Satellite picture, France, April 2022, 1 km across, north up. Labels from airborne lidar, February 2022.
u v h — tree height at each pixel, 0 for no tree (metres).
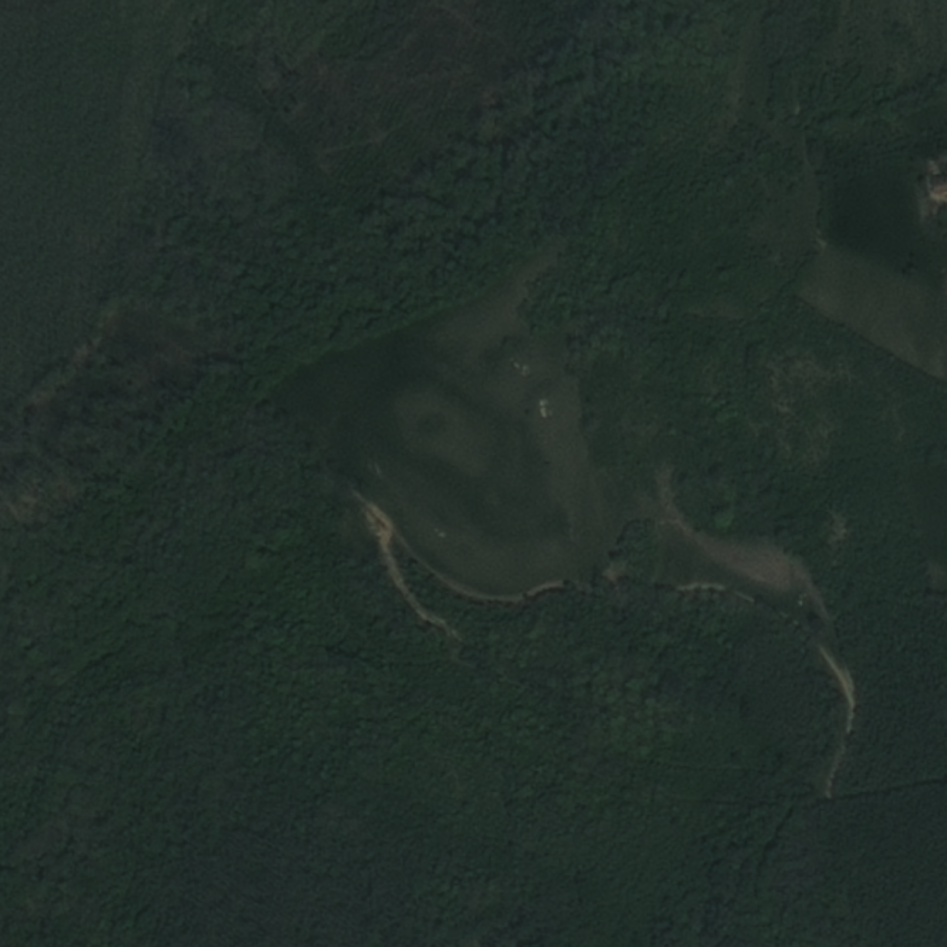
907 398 6
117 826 21
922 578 6
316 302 17
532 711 12
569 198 19
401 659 14
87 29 17
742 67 0
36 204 17
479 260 20
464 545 0
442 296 20
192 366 0
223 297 23
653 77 24
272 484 28
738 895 19
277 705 8
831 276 0
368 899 22
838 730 18
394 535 0
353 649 8
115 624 24
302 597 8
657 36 27
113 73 17
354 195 7
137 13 17
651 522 8
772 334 7
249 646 22
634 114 18
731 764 6
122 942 20
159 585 27
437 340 0
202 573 27
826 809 16
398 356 0
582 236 10
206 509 25
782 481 10
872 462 8
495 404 0
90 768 27
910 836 14
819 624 21
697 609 10
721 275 13
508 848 10
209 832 19
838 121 24
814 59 9
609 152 19
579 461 0
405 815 10
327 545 10
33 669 25
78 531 25
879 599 6
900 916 16
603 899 10
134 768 23
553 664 20
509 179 30
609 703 23
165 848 17
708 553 0
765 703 13
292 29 22
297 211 21
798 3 12
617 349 21
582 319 20
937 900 15
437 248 30
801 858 23
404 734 11
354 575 27
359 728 12
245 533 30
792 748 16
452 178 29
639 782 14
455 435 0
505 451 0
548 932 11
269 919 24
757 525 8
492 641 21
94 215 16
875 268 0
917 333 0
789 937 20
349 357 0
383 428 0
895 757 17
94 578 25
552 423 0
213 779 28
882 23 0
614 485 0
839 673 0
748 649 15
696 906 10
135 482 15
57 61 17
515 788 7
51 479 30
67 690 16
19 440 30
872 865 16
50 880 26
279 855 22
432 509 0
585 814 15
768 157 8
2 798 17
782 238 0
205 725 24
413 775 5
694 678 14
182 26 21
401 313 18
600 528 0
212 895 28
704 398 8
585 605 20
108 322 0
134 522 14
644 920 6
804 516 9
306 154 12
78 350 14
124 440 32
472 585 0
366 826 17
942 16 0
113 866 18
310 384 0
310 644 16
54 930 27
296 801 14
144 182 16
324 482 28
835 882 20
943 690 15
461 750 9
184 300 25
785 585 0
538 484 0
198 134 27
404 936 23
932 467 13
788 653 16
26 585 25
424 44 0
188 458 16
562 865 7
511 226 24
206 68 24
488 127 31
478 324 0
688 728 17
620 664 27
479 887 21
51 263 16
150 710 21
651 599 25
